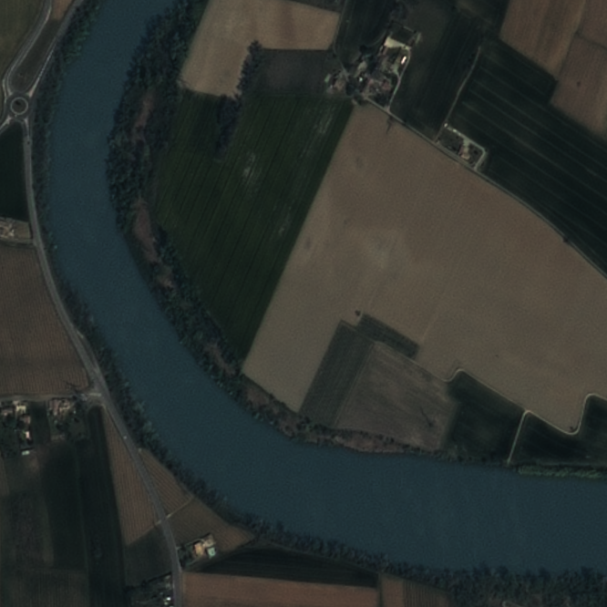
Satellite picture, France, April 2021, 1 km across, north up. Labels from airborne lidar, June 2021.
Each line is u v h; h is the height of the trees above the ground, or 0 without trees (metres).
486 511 0
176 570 0
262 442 0
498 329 0
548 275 0
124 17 0
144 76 25
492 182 0
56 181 0
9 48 0
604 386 0
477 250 0
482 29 0
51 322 0
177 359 0
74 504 0
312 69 0
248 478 0
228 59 0
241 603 0
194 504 0
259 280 0
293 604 0
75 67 0
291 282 0
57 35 0
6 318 0
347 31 0
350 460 0
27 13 0
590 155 0
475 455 0
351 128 0
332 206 0
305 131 0
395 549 0
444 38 0
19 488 0
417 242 0
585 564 0
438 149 0
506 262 0
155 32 25
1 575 0
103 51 0
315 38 0
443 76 0
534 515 0
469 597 18
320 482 0
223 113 15
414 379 0
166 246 22
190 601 0
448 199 0
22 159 0
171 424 0
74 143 0
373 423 0
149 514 0
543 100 0
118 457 0
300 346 0
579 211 0
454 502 0
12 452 7
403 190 0
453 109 0
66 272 0
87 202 0
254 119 0
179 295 6
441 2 0
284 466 0
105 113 0
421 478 0
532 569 0
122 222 13
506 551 0
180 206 0
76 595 0
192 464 0
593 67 0
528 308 0
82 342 0
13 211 0
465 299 0
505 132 0
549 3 0
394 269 0
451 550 0
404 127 11
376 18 0
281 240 0
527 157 0
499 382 0
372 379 0
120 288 0
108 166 13
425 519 0
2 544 0
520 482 0
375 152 0
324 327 0
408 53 0
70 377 0
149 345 0
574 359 0
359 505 0
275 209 0
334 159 0
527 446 0
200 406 0
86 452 0
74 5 0
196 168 0
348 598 0
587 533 0
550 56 0
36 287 0
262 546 0
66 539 0
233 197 0
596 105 0
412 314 0
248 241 0
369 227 0
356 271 0
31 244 0
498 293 0
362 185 0
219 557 0
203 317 16
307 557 0
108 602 0
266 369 0
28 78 0
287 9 0
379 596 0
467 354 0
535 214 0
